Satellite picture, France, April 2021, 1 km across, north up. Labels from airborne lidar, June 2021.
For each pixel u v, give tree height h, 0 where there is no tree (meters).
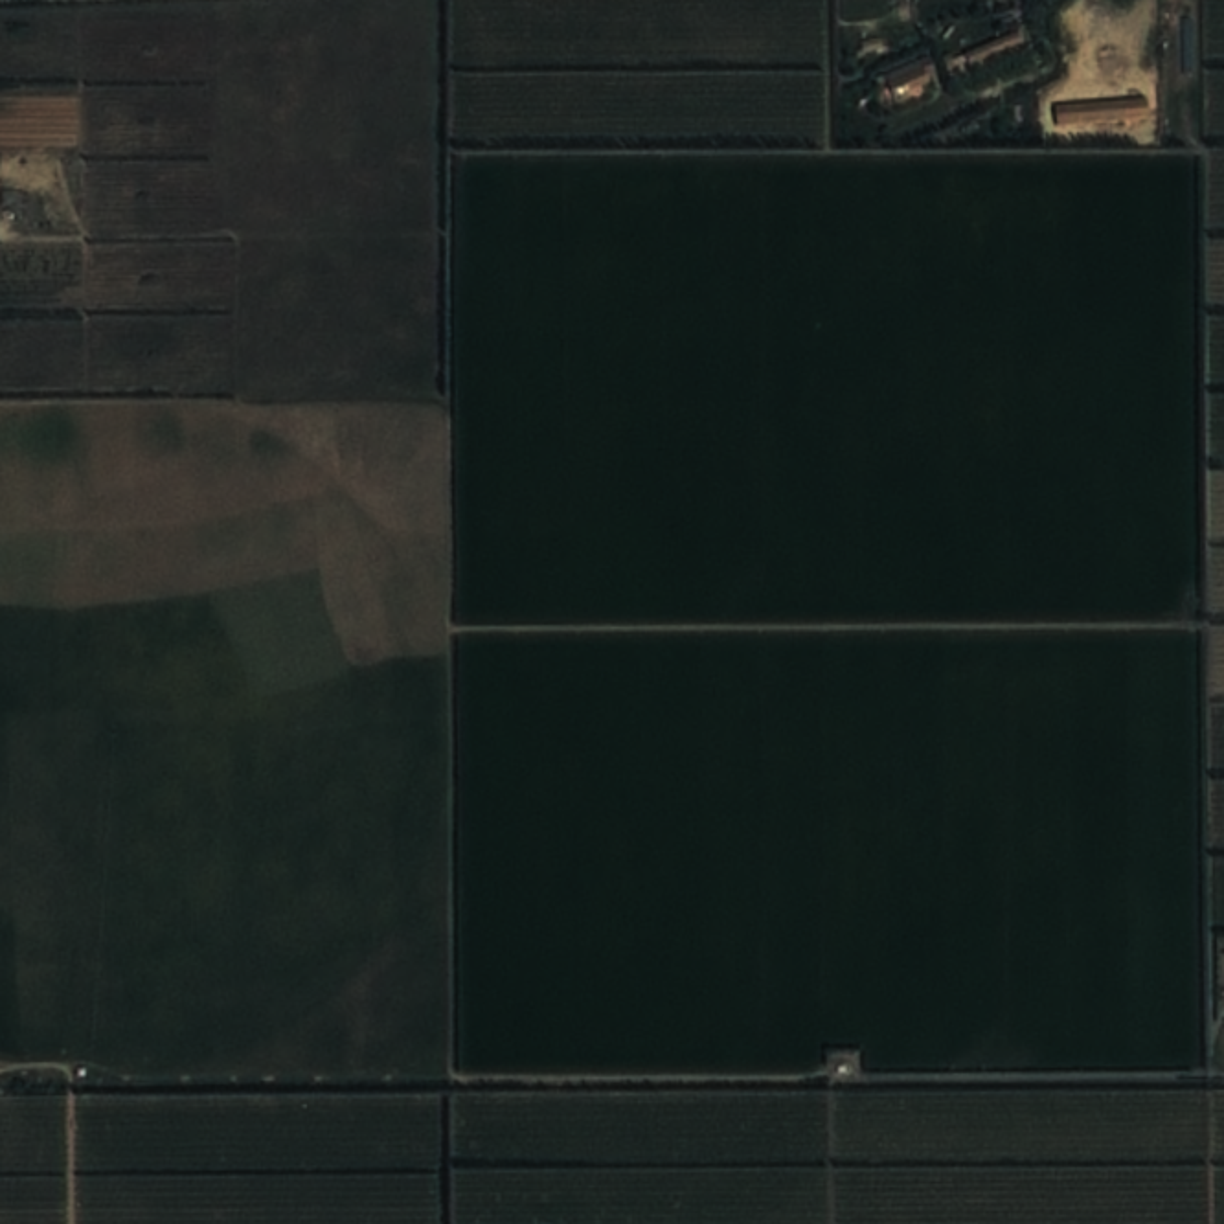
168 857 0
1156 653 0
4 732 0
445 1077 0
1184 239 0
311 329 0
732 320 0
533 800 0
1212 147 18
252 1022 0
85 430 0
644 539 0
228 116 0
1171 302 0
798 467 0
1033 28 19
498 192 0
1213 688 0
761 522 0
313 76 0
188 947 0
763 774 0
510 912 0
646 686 0
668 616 0
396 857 0
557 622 0
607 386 0
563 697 0
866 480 0
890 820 0
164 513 0
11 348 0
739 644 0
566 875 0
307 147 0
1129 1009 0
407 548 0
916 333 0
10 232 0
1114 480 0
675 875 0
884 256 0
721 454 0
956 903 0
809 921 0
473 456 0
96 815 0
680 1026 0
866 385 0
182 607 0
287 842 0
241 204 0
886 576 0
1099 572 0
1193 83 0
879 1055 0
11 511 0
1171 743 0
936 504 0
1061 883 0
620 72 15
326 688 0
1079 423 0
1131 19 0
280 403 0
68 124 0
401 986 0
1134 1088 8
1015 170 0
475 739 0
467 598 0
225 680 0
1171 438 0
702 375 0
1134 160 0
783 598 0
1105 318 0
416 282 0
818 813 0
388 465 0
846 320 0
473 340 0
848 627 0
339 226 0
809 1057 0
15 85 13
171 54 0
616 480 0
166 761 0
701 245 0
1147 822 0
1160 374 0
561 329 0
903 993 0
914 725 0
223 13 0
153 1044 0
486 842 0
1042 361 0
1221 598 0
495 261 0
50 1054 0
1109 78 0
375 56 0
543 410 0
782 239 0
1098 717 0
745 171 0
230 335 0
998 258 0
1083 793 0
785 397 0
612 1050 0
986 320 0
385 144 0
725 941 0
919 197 0
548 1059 0
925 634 0
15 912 0
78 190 0
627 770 0
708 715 0
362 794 0
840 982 0
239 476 0
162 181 0
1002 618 0
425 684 0
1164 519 0
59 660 0
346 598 0
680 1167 10
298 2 0
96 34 0
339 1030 0
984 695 0
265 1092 19
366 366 0
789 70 15
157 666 0
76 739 0
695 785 0
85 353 0
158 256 0
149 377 0
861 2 0
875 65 5
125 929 0
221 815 0
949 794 0
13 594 0
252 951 0
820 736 0
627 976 0
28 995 0
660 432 0
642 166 0
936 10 0
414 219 0
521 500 0
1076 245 0
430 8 0
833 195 0
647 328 0
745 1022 0
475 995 0
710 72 17
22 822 0
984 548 0
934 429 0
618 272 0
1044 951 0
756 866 0
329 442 0
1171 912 0
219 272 0
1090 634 0
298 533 0
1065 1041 0
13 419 0
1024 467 0
